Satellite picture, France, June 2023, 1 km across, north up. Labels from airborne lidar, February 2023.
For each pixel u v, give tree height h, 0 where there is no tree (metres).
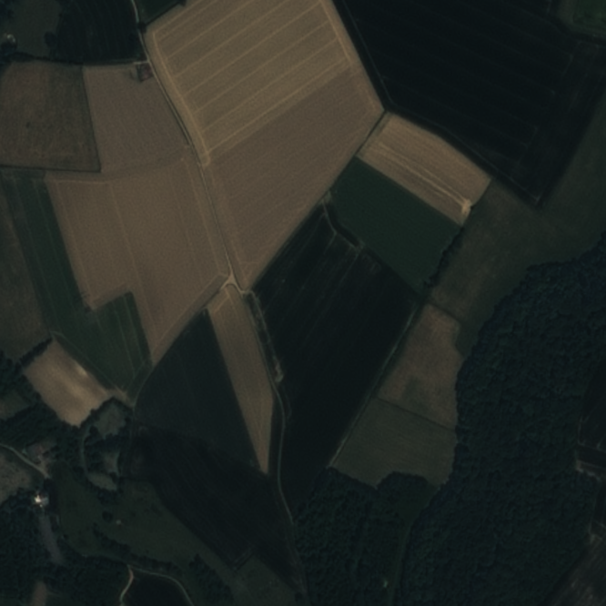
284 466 0
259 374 0
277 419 0
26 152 0
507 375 24
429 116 0
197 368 0
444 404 0
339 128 0
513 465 20
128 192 0
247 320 0
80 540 0
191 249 0
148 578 0
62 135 0
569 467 21
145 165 0
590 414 0
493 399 22
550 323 24
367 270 0
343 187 0
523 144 0
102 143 0
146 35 0
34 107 0
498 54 0
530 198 0
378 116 0
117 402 7
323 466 0
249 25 0
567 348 24
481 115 0
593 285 24
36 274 0
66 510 0
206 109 0
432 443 0
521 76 0
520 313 21
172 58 0
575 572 0
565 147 0
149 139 0
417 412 0
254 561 0
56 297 0
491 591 27
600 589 0
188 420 0
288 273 0
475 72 0
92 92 0
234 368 0
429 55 0
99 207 0
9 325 0
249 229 0
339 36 0
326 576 15
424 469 0
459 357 0
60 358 0
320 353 0
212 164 0
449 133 0
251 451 0
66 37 0
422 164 0
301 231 0
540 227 0
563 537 24
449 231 0
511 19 0
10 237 0
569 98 0
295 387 0
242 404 0
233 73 0
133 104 0
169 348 0
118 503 13
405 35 0
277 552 0
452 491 28
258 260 0
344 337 0
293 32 0
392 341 0
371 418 0
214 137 0
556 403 24
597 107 0
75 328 0
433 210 0
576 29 0
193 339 0
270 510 0
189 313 0
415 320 0
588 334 22
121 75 0
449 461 0
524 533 21
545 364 19
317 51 0
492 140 0
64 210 0
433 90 0
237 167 0
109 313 0
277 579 0
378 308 0
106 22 0
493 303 0
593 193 0
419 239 0
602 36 0
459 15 0
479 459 22
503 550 22
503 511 21
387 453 0
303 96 0
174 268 0
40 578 13
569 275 26
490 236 0
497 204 0
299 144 0
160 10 0
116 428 0
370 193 0
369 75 0
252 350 0
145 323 0
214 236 0
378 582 25
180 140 0
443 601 22
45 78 0
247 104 0
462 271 0
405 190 0
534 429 21
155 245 0
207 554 0
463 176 0
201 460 0
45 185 0
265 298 0
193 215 0
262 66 0
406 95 0
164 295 0
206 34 0
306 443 0
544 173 0
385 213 0
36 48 0
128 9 0
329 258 0
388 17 0
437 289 0
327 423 0
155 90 0
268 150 0
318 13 0
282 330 0
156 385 0
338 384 0
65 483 0
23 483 0
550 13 0
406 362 0
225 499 0
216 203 0
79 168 0
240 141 0
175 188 0
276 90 0
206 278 0
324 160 0
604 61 0
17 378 16
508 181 0
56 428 7
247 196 0
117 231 0
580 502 21
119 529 0
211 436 0
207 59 0
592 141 0
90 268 0
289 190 0
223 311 0
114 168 0
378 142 0
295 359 0
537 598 18
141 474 0
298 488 0
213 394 0
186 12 0
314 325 0
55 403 0
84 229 0
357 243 0
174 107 0
